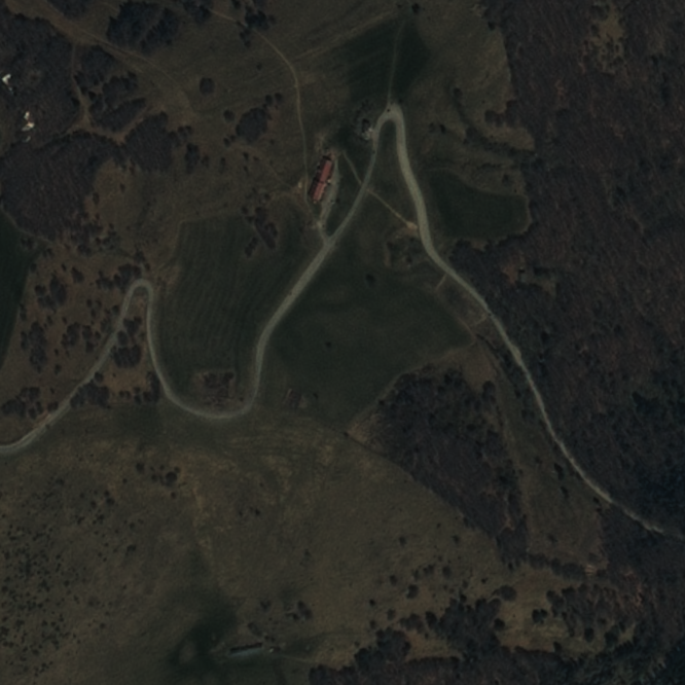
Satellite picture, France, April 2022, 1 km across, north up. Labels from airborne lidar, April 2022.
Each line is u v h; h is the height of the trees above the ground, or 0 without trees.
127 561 0
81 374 0
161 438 0
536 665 26
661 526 19
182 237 0
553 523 0
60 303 12
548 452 0
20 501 0
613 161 29
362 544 0
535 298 23
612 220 24
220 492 0
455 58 0
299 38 0
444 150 0
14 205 14
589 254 15
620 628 10
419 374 0
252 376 0
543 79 23
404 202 0
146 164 12
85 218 14
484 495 8
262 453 0
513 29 15
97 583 0
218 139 0
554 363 20
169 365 0
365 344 0
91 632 0
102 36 0
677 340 21
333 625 0
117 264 0
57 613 0
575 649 0
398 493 0
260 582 0
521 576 0
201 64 0
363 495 0
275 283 0
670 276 17
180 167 0
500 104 0
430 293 0
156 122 15
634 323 18
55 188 15
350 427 0
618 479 24
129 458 0
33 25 13
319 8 0
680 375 32
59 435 0
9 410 9
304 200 0
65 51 10
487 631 15
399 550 0
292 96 0
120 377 0
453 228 0
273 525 0
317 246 0
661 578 19
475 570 0
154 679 0
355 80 0
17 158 13
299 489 0
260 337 0
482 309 0
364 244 0
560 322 16
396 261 0
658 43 23
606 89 25
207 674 0
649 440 25
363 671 14
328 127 0
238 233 0
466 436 11
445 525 0
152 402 7
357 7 0
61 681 0
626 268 16
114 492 0
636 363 27
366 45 0
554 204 21
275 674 0
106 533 0
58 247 0
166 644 0
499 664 25
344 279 0
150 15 15
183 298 0
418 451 12
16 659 0
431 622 21
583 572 16
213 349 0
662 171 27
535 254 20
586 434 22
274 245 11
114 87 15
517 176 0
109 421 0
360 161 0
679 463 18
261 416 0
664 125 20
